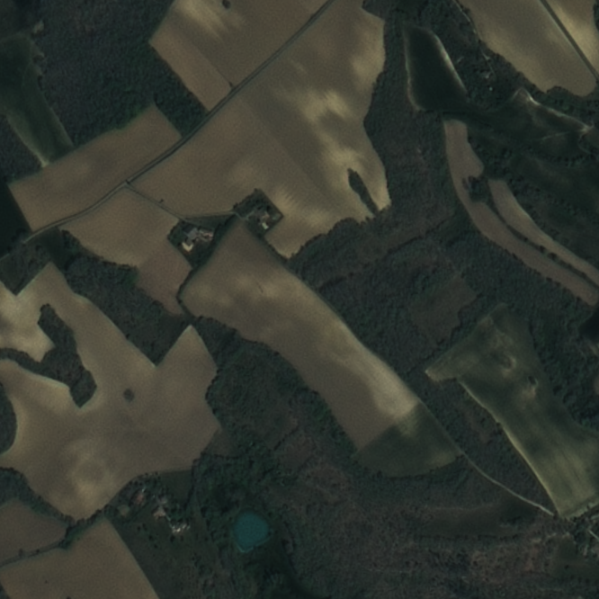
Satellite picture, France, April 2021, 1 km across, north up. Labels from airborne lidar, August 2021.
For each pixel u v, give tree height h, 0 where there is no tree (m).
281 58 0
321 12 0
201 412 0
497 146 0
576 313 16
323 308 0
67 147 0
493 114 0
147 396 0
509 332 0
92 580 0
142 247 0
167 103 18
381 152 12
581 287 0
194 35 0
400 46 14
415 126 7
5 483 18
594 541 8
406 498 12
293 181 0
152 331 0
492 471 13
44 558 0
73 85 20
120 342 0
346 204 0
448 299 0
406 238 0
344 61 0
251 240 0
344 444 15
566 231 0
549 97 8
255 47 0
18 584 0
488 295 7
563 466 0
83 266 18
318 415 15
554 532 14
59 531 0
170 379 0
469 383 0
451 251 13
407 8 0
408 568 7
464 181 0
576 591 13
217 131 0
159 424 0
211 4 0
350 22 0
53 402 0
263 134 0
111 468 0
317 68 0
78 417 0
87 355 0
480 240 20
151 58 18
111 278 17
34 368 15
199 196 0
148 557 0
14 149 20
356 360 0
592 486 0
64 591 0
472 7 0
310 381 0
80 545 0
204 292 0
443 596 8
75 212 0
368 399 0
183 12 0
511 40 0
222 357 11
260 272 0
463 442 18
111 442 0
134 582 0
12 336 0
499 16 0
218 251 0
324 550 17
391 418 0
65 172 0
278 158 0
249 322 0
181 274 0
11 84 0
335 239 11
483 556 10
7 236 0
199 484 17
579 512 0
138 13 16
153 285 0
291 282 0
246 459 6
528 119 0
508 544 15
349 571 9
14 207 0
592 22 0
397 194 13
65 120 12
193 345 0
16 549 0
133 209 0
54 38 19
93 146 0
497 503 7
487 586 8
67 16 15
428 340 17
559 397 14
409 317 12
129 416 0
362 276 7
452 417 18
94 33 10
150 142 0
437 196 12
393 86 12
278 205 0
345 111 0
